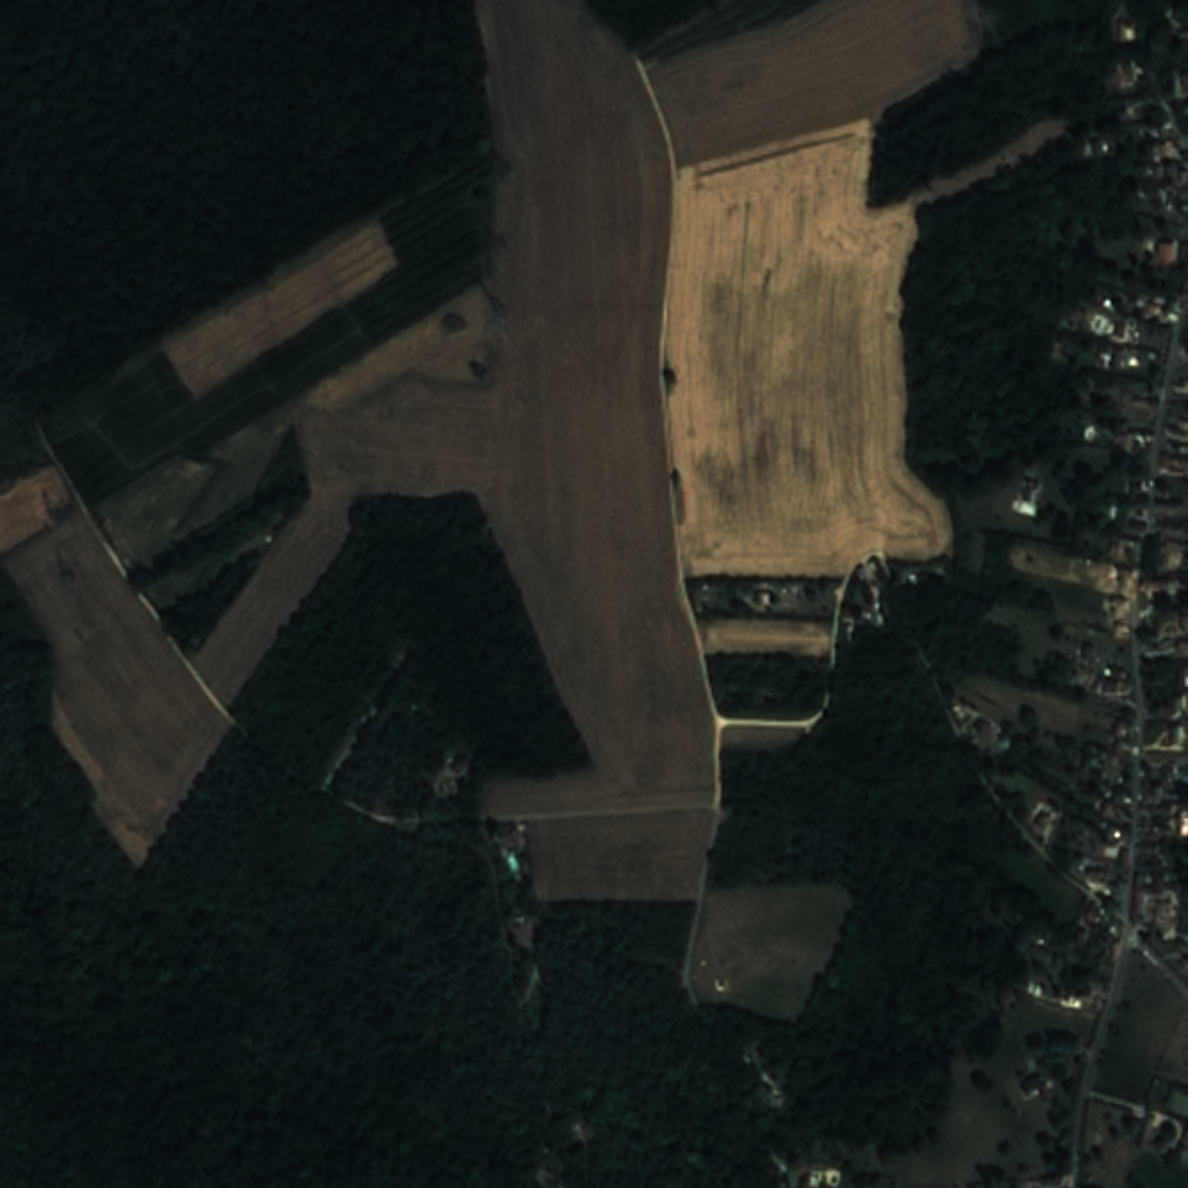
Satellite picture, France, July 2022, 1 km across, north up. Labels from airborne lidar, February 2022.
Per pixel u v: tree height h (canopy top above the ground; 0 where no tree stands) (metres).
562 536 0
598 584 0
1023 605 13
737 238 0
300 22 22
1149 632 13
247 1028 18
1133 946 0
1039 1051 17
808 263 0
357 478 0
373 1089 21
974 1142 0
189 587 0
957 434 13
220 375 0
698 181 0
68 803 13
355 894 17
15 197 22
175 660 0
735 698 7
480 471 0
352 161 22
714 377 0
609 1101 15
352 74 24
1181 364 0
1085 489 12
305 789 9
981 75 20
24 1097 12
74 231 14
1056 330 9
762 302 0
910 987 23
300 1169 24
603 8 22
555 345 0
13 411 20
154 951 13
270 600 0
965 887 16
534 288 0
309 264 0
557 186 0
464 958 17
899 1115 18
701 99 0
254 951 16
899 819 9
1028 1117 0
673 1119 12
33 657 16
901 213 0
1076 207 22
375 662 12
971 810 21
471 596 19
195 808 15
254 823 7
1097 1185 0
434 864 10
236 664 0
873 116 0
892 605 11
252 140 21
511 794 0
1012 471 11
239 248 18
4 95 16
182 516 0
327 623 8
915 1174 0
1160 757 0
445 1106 10
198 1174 22
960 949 23
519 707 19
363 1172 22
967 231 17
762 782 11
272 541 0
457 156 16
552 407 0
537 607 0
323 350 0
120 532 0
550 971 19
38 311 21
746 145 0
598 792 0
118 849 8
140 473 0
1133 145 13
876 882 12
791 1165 13
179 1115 23
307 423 0
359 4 24
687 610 0
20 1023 10
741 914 0
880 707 10
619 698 0
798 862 12
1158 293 10
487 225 0
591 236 0
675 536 0
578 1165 7
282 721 9
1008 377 16
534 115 0
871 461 0
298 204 22
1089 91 23
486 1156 14
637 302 0
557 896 0
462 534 19
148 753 0
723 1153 17
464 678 20
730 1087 14
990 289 22
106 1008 29
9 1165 14
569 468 0
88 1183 8
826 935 0
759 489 0
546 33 0
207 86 19
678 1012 9
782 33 0
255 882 11
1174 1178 0
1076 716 0
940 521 0
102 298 16
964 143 18
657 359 0
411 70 25
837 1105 19
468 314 0
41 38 16
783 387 0
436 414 0
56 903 25
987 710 0
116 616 0
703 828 0
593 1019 9
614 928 6
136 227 20
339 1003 24
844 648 6
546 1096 14
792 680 7
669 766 0
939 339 18
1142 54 17
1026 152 0
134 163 20
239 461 0
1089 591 0
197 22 14
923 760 12
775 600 10
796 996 0
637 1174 12
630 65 0
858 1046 10
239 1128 24
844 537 0
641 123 0
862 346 0
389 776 16
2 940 20
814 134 0
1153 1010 0
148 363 0
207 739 0
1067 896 0
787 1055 18
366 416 0
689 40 0
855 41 0
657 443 0
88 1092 7
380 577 16
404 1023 21
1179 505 0
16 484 5
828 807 6
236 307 0
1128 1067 0
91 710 0
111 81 15
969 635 12
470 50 27
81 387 10
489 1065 11
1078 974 13
